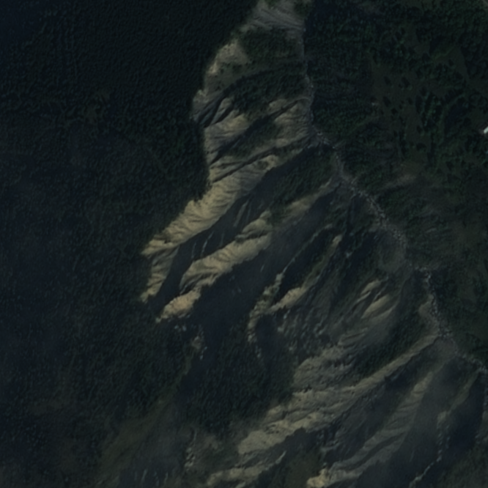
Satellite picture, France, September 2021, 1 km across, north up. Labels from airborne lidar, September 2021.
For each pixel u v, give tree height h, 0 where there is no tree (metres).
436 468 0
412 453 0
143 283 18
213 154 0
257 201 0
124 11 23
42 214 25
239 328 11
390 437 0
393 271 0
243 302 0
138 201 25
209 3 20
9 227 27
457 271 7
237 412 6
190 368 0
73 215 23
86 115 7
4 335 19
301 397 0
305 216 0
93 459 8
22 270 23
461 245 6
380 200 10
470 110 11
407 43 0
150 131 12
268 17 0
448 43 15
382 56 14
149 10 21
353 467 0
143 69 19
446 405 8
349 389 0
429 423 0
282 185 15
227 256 0
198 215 0
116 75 18
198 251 0
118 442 0
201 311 0
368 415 0
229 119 0
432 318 0
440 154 14
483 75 17
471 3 10
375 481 0
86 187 26
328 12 12
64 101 9
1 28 14
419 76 16
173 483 0
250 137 8
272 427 0
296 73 10
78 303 26
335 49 8
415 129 0
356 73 8
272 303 0
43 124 20
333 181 0
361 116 9
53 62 18
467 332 9
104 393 9
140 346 15
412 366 0
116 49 21
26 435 7
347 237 0
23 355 19
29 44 23
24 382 19
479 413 0
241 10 18
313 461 0
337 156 0
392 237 0
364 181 12
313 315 0
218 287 0
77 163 24
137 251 19
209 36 21
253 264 0
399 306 0
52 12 25
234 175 0
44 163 20
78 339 6
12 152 30
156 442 0
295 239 0
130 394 10
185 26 21
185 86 19
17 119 23
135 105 22
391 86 13
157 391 13
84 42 23
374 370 10
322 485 0
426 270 0
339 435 0
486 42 21
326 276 0
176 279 0
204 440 0
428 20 14
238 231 0
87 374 21
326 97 0
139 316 17
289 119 0
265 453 0
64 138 15
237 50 0
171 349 20
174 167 14
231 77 0
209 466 0
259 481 0
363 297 0
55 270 15
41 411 0
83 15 18
